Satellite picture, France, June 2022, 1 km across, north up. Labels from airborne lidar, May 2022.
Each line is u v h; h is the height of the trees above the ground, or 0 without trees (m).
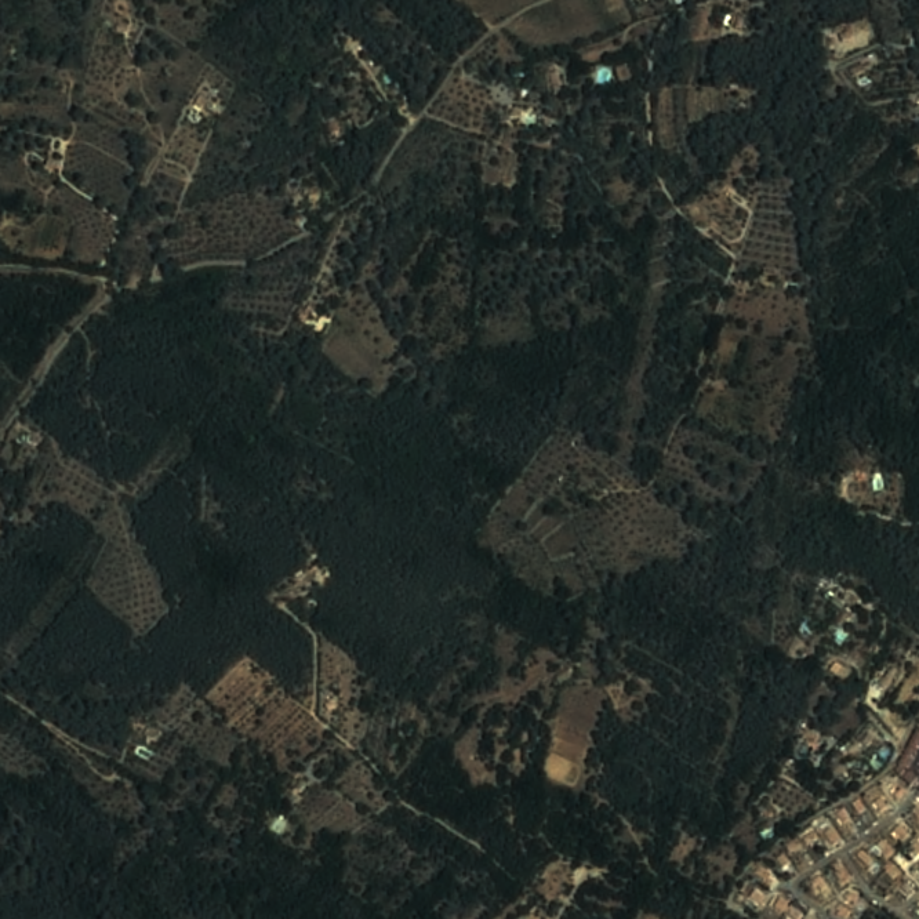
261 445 9
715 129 18
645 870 7
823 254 19
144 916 9
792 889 0
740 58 20
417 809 6
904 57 9
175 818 9
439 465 11
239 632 12
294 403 9
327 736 9
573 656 12
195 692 12
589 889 11
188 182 0
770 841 5
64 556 11
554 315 6
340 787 7
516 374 7
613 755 7
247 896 12
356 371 0
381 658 14
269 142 9
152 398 11
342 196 9
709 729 9
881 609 9
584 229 16
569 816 10
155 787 10
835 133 17
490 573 8
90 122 17
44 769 8
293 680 13
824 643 6
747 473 19
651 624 10
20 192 7
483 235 11
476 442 12
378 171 21
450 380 9
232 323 12
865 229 7
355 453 13
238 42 11
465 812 10
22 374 8
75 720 20
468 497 11
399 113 9
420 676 10
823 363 12
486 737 12
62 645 12
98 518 8
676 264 19
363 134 22
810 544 14
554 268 19
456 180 10
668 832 12
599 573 7
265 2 15
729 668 6
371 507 10
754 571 14
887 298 9
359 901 13
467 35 19
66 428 13
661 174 8
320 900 8
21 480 14
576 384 20
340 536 9
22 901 13
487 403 9
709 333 8
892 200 9
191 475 11
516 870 9
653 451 8
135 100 16
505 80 16
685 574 15
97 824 7
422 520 11
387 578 11
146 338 11
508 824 8
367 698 10
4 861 16
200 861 6
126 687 13
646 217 9
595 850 10
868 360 17
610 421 17
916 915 0
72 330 9
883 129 11
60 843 13
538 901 6
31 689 11
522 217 13
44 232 0
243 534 12
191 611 12
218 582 9
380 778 14
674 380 14
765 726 14
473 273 10
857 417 19
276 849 14
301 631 10
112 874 9
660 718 8
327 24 9
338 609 11
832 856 0
